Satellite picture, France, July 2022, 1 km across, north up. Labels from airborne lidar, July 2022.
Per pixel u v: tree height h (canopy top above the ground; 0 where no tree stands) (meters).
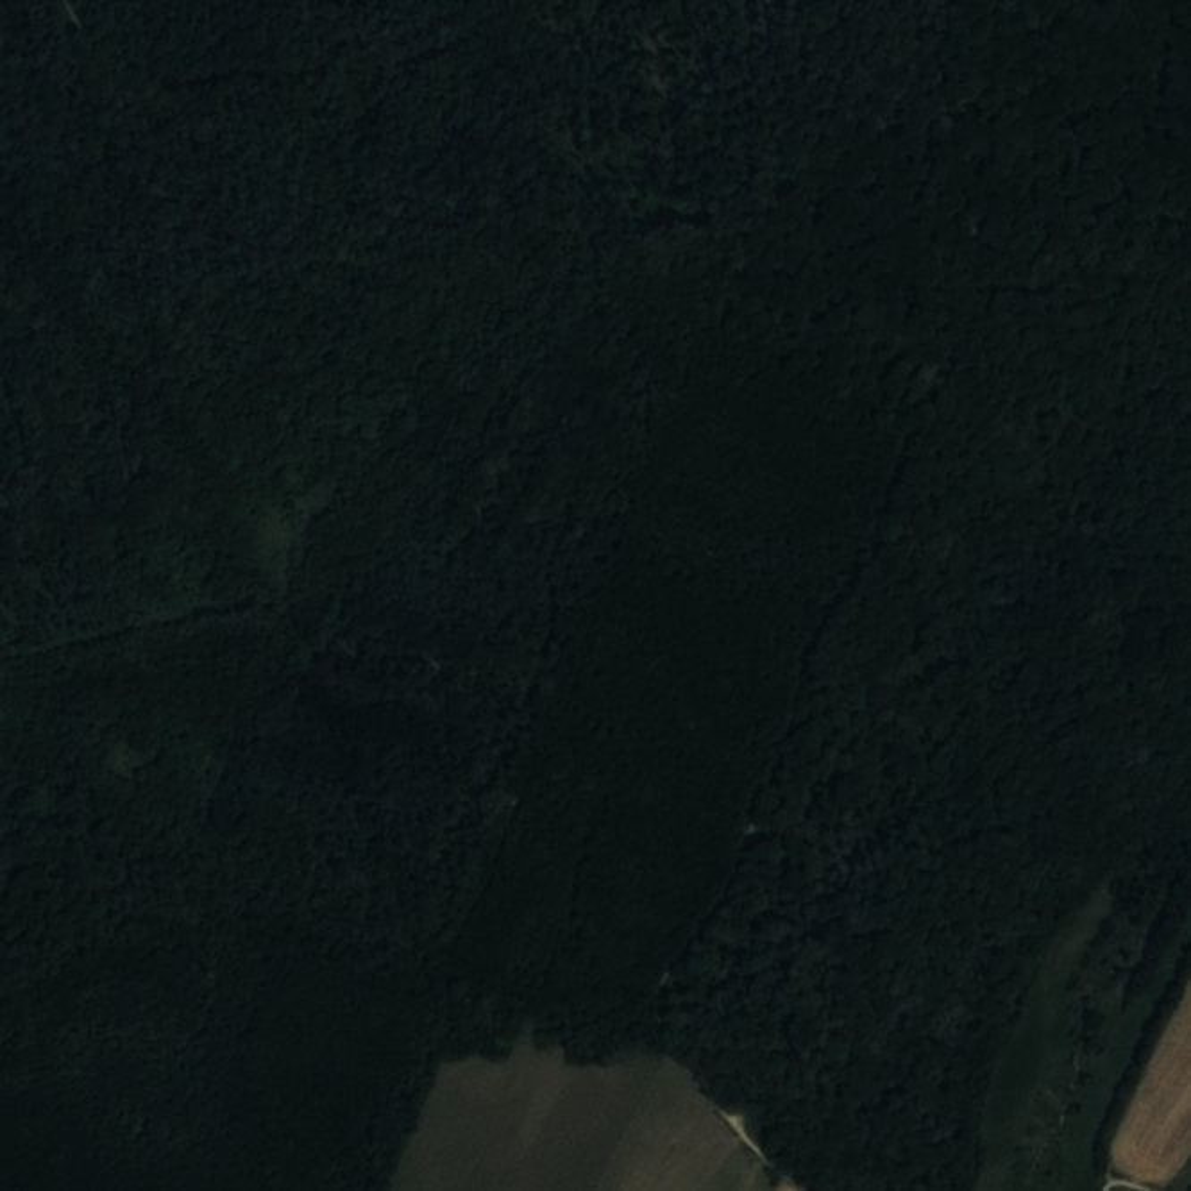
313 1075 19
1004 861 26
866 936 8
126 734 11
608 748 14
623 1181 0
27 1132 16
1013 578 23
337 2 8
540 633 20
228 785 15
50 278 18
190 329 20
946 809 28
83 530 22
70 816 21
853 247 29
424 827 25
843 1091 24
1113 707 20
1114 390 25
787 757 25
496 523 22
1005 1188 0
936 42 27
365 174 22
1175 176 27
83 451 28
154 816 24
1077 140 31
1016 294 25
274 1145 22
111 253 29
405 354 17
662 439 14
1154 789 27
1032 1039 0
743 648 16
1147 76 32
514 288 18
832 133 27
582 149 20
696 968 32
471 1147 0
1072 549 26
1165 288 27
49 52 28
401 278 24
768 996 23
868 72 26
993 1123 0
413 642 29
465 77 15
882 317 25
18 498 26
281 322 27
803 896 30
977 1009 27
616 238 27
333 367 19
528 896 9
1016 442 22
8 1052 12
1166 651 28
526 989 7
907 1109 25
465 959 10
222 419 19
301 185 15
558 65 30
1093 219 30
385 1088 21
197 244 27
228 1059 15
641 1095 0
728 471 15
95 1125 16
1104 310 28
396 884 15
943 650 25
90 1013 10
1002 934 23
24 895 28
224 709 12
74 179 21
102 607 19
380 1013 20
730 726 17
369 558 21
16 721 13
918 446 26
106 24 26
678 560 15
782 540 17
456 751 20
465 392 10
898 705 24
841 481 18
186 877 15
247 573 13
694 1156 0
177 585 6
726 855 16
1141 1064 14
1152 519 28
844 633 27
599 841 14
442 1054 17
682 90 14
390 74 22
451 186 24
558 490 23
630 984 14
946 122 31
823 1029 23
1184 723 24
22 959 27
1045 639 31
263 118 17
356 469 13
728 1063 25
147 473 29
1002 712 25
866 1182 21
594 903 15
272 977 11
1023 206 24
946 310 27
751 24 24
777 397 18
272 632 8
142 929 25
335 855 21
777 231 29
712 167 22
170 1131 16
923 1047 26
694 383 15
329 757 22
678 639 15
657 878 15
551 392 25
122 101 25
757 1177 0
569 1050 13
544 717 17
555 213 29
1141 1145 0
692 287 20
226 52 23
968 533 25
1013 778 25
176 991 11
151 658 8
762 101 29
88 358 24
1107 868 21
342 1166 19
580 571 22
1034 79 33
